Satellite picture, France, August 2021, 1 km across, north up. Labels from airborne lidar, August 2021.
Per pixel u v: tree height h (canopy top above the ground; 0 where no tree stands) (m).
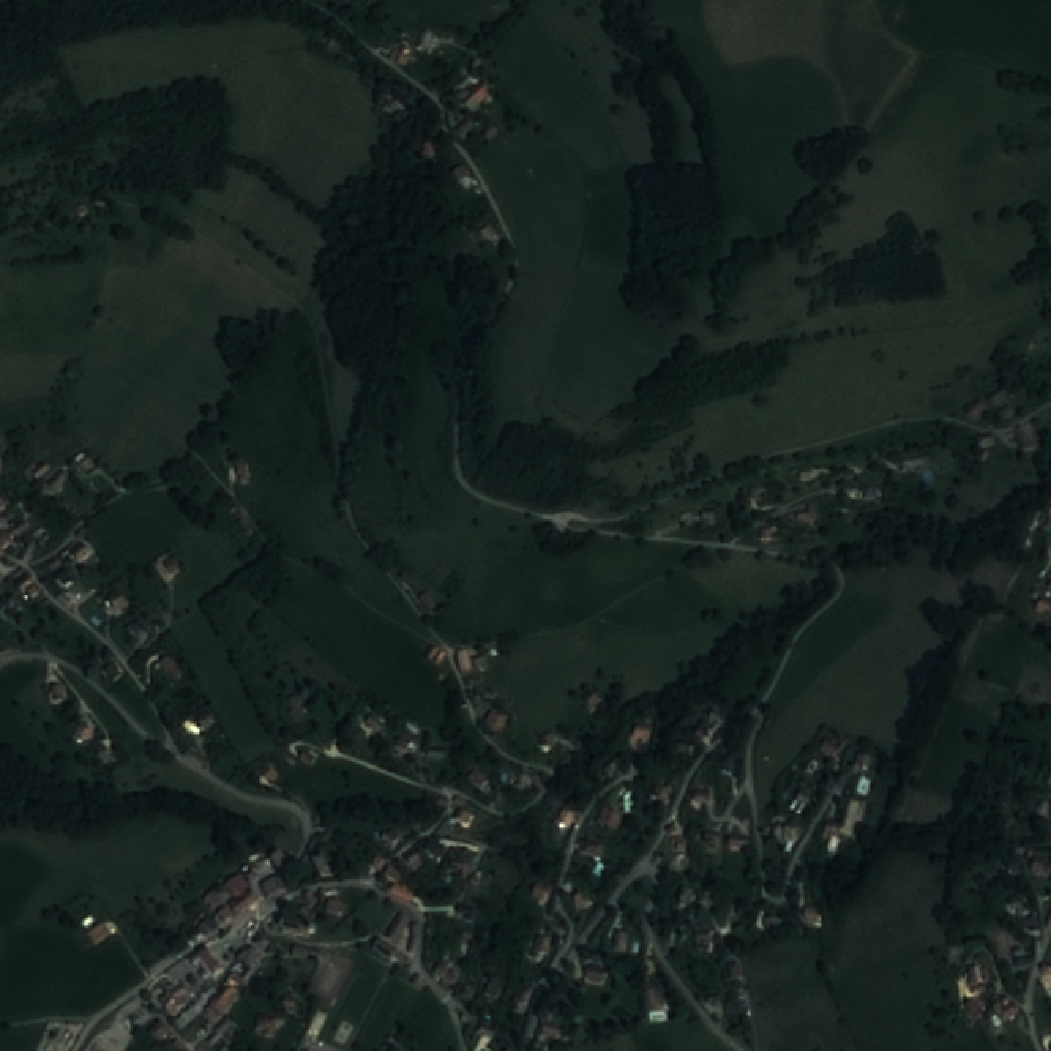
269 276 0
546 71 0
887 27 0
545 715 0
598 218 0
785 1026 0
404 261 25
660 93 21
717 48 0
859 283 11
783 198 0
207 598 10
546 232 0
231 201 0
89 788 19
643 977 14
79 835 19
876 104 0
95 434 0
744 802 0
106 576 8
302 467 0
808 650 0
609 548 0
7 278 0
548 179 0
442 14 0
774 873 10
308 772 0
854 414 0
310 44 6
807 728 0
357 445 14
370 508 0
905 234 12
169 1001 0
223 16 19
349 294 21
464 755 13
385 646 0
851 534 0
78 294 0
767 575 0
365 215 12
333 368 0
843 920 0
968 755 0
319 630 0
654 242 18
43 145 11
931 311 0
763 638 17
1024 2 0
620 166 0
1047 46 0
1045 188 0
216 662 0
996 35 0
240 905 0
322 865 0
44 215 8
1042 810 0
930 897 0
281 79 0
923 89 0
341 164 0
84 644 5
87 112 8
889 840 10
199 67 0
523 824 13
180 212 0
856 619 0
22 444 10
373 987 0
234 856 12
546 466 10
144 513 0
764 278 0
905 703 0
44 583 8
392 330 26
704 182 22
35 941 0
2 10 20
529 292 0
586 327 0
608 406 0
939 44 0
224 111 15
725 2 0
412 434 0
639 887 9
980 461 7
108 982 0
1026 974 7
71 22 15
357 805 10
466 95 0
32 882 0
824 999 0
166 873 0
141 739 0
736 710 10
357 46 18
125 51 0
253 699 9
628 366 0
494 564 0
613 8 20
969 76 0
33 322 0
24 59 16
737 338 0
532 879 7
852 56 0
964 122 0
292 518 0
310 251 0
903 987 0
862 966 0
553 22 0
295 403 0
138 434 0
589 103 0
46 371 0
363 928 9
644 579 0
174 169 8
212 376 0
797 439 0
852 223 0
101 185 12
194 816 22
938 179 0
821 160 16
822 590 14
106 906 0
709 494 10
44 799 31
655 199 23
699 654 0
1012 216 15
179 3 15
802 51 0
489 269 11
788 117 0
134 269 0
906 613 0
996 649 0
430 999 0
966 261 0
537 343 0
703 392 14
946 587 0
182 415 0
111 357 0
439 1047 0
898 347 0
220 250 0
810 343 17
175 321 0
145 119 16
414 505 0
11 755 21
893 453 10
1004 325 0
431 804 11
